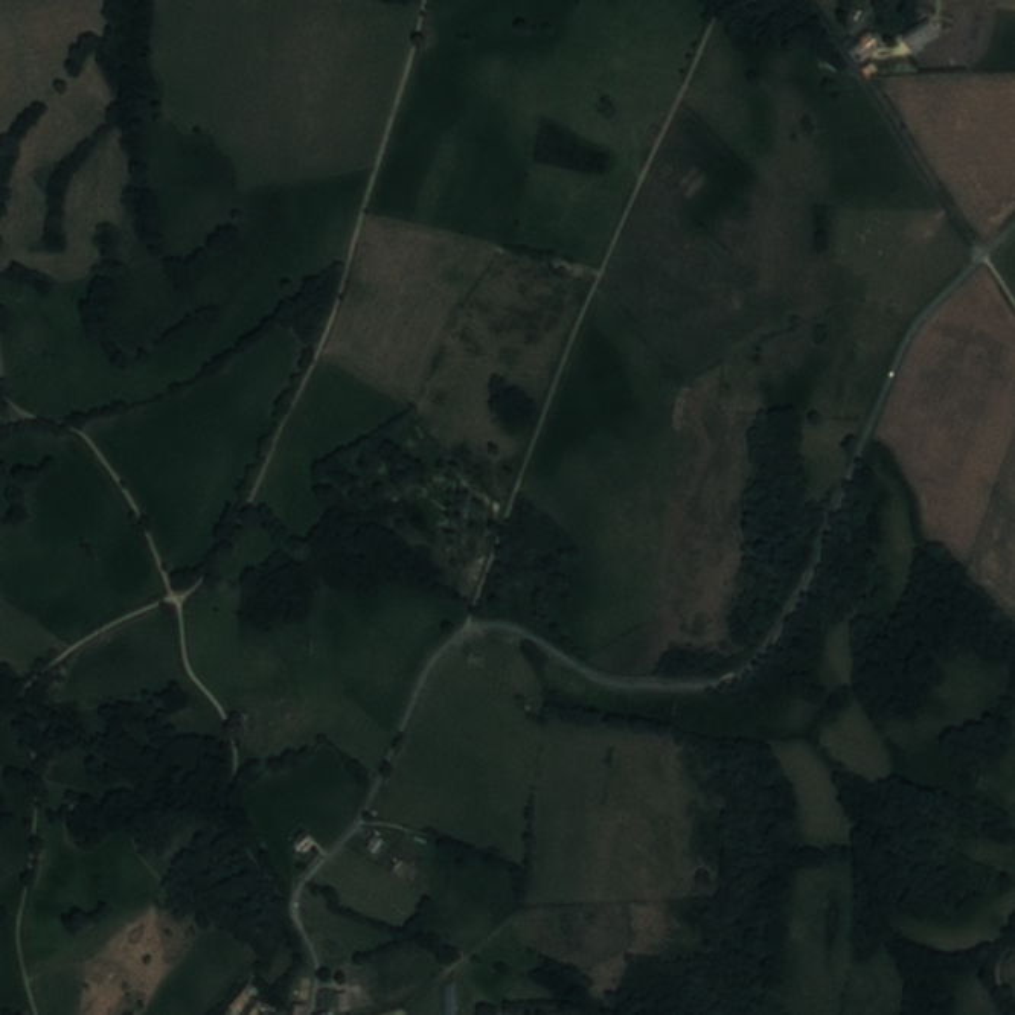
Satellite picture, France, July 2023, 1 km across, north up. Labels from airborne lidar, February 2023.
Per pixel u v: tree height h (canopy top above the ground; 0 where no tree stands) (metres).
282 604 15
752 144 0
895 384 0
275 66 0
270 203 0
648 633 0
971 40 0
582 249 0
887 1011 0
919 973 21
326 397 0
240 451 0
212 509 0
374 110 0
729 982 7
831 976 0
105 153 0
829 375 0
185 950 0
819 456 0
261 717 0
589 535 0
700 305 0
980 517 0
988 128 0
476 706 0
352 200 0
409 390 0
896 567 0
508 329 0
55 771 0
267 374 0
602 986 0
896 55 0
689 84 0
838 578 17
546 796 0
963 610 18
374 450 13
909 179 0
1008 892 13
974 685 0
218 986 0
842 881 0
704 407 0
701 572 0
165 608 8
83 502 0
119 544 0
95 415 10
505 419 6
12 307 0
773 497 16
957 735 17
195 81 0
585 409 0
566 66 0
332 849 0
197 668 0
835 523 17
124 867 0
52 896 0
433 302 0
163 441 0
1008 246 0
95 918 12
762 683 19
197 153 0
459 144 0
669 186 0
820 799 0
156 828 15
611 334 0
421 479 18
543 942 0
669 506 0
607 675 0
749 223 0
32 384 0
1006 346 0
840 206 0
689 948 0
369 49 0
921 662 19
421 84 0
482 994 0
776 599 11
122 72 17
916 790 24
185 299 0
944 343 0
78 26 0
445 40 0
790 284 0
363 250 0
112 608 0
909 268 0
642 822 0
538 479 0
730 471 0
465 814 0
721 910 13
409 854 0
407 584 8
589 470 0
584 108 0
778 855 21
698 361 0
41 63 0
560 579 17
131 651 0
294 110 0
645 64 0
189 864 19
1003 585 0
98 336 17
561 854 0
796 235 0
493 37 0
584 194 0
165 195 0
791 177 0
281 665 0
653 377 0
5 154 20
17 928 0
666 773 0
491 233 0
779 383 0
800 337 0
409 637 0
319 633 0
